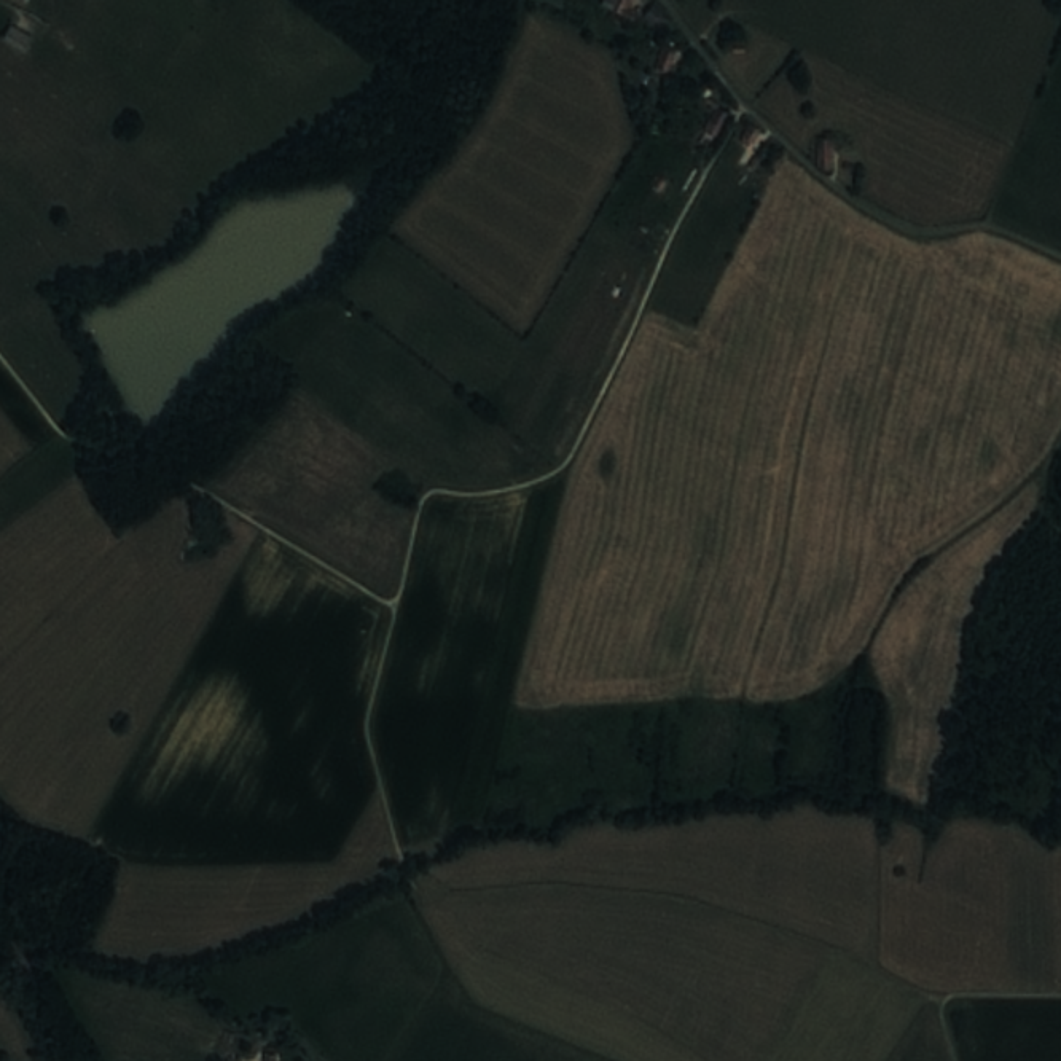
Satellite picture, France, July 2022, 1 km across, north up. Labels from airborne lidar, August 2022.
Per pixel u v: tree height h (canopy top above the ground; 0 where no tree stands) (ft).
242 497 0
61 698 0
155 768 0
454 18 56
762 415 0
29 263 0
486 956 0
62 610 0
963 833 0
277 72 0
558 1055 0
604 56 0
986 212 0
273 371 70
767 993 0
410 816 0
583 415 0
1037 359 0
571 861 0
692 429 0
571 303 0
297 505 0
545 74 0
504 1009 0
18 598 0
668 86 49
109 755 0
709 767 0
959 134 0
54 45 0
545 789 0
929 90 0
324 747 0
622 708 0
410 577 0
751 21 0
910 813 49
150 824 0
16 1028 0
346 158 83
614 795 0
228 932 0
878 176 0
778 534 0
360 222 65
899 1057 0
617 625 0
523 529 0
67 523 0
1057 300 0
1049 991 0
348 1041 0
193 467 70
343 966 0
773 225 0
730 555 0
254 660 0
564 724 0
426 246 0
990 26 0
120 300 28
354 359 0
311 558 0
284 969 0
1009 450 0
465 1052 0
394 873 47
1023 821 40
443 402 0
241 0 0
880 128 0
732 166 0
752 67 0
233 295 0
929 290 0
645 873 0
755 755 0
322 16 57
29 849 69
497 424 26
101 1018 0
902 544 0
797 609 0
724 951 0
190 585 0
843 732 25
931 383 0
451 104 74
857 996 0
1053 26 0
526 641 0
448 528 0
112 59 0
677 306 0
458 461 0
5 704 0
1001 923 0
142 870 0
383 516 0
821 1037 0
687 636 0
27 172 0
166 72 0
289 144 30
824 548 0
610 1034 0
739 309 0
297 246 0
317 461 0
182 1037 0
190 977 52
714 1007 0
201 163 0
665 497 0
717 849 0
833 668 0
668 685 0
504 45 54
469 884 0
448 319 0
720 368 0
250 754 0
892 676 0
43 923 52
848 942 0
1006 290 0
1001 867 0
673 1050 0
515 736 0
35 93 0
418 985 0
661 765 30
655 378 0
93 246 0
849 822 0
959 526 0
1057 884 0
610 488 0
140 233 0
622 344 0
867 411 0
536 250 0
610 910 0
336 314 0
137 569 0
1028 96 0
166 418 40
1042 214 0
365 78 0
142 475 83
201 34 0
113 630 0
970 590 0
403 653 0
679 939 0
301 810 0
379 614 0
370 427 0
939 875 0
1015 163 0
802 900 0
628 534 0
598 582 0
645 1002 0
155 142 0
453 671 0
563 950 0
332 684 0
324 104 0
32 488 0
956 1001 0
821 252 0
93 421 68
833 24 0
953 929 0
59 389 0
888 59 0
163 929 0
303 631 0
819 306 0
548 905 0
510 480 0
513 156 0
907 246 0
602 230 0
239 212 0
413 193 64
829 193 0
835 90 0
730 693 0
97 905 49
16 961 37
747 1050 0
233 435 58
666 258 0
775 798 23
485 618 0
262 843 0
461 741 0
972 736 52
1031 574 35
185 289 0
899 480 0
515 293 0
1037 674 45
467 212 0
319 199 0
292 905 0
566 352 0
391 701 0
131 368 0
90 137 0
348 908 63
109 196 0
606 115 0
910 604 0
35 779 0
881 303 0
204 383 71
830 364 0
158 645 0
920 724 0
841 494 0
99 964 53
